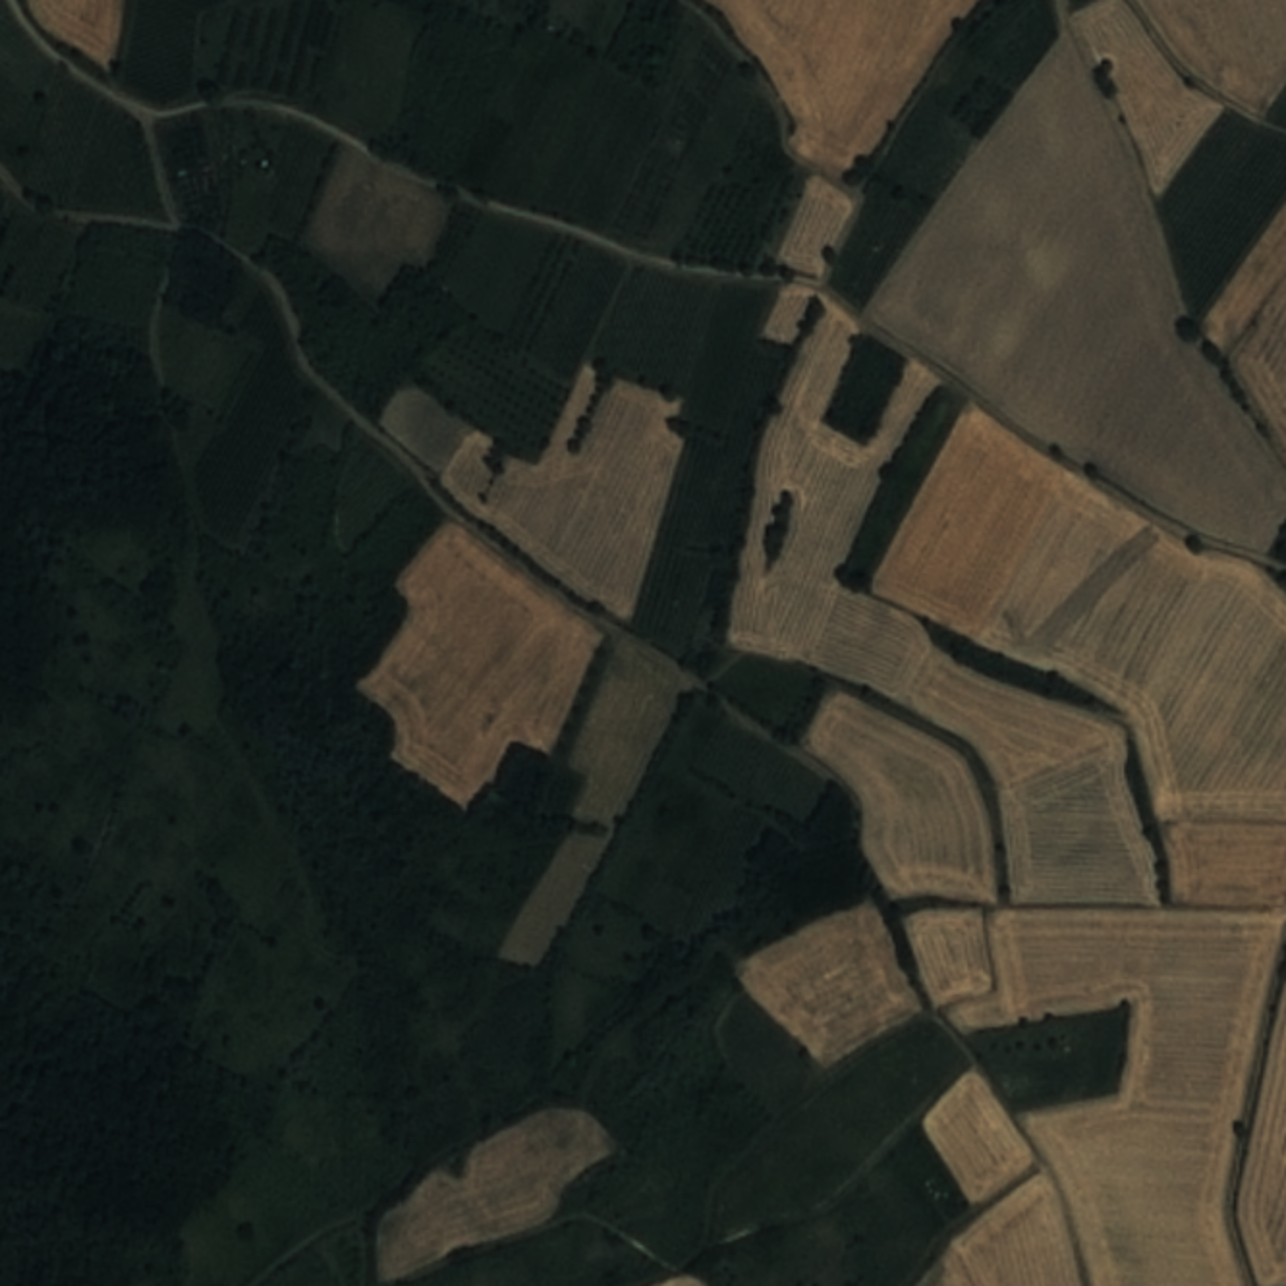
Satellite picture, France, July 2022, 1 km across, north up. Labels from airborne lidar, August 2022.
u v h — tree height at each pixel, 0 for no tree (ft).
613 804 0
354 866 23
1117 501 0
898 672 0
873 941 0
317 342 30
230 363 0
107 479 44
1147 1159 0
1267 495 0
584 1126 0
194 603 0
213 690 0
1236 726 0
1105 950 0
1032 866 0
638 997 39
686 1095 21
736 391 0
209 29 0
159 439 35
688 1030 19
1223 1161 0
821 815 31
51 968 22
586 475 0
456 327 25
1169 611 0
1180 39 0
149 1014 43
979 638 0
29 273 0
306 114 0
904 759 0
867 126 0
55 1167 46
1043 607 0
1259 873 0
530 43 0
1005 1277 0
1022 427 0
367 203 0
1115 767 0
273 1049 0
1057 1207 0
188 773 0
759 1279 0
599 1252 0
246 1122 23
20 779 0
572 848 0
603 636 0
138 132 21
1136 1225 0
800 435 0
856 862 21
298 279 19
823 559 0
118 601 29
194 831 0
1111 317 0
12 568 49
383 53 0
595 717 0
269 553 20
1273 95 0
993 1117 0
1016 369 0
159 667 21
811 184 0
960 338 0
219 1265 0
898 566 0
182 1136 45
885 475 31
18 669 48
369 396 25
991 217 0
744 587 0
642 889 0
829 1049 0
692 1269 27
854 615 0
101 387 35
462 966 19
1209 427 0
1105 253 0
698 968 28
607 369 35
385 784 36
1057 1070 0
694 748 0
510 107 0
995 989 0
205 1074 24
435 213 0
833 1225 0
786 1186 0
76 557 25
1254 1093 0
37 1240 53
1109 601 0
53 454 57
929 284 0
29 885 33
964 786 0
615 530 0
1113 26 0
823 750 0
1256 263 0
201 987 33
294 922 0
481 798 33
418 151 28
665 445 0
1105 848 0
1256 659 0
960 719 0
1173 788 0
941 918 0
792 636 0
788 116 0
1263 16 0
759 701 0
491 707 0
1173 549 0
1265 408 0
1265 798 0
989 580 0
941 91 0
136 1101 77
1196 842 0
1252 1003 0
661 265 0
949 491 0
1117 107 0
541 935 0
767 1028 0
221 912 26
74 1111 72
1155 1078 0
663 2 33
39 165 0
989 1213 0
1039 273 0
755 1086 0
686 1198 18
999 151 0
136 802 0
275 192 0
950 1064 0
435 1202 0
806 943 0
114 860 0
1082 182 0
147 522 22
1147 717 0
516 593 0
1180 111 0
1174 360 0
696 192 0
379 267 0
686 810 0
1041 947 0
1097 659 0
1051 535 0
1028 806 0
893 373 23
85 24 0
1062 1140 0
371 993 23
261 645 31
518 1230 0
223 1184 26
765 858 43
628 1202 0
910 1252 0
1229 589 0
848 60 0
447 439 0
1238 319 0
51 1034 33
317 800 33
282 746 40
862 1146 0
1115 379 0
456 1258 28
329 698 48
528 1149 0
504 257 0
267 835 0
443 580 0
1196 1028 0
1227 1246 0
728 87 0
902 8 0
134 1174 47
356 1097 27
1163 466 0
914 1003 0
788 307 0
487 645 0
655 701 0
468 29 26
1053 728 0
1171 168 0
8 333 0
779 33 0
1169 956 0
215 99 44
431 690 0
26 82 0
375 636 26
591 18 0
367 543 26
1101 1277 0
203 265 45
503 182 0
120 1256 20
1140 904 0
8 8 0
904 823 0
